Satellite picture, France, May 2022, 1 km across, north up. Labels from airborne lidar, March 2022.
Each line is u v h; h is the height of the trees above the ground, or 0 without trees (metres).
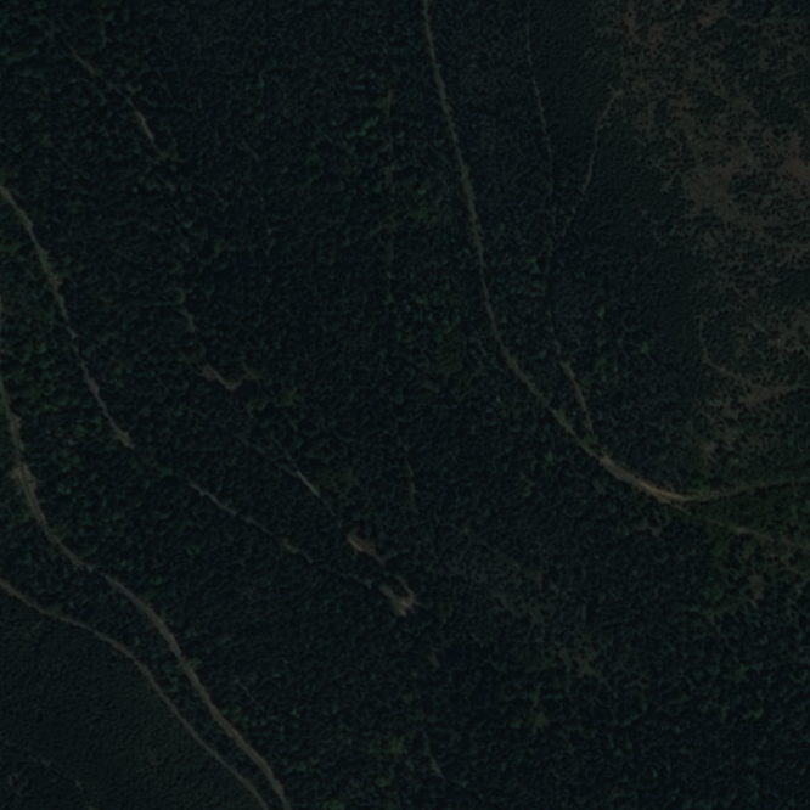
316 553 32
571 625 7
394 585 21
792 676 8
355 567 32
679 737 33
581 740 29
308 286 25
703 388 8
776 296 5
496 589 11
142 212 14
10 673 11
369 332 24
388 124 15
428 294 11
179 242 23
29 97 36
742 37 7
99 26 28
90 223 34
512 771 31
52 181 35
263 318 24
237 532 31
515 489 28
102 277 36
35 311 10
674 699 22
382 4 25
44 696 9
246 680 29
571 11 8
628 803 22
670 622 21
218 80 29
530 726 26
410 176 16
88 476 21
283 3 27
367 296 29
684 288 8
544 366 27
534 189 30
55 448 23
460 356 8
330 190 30
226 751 25
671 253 8
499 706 38
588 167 10
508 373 33
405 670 29
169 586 26
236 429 36
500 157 27
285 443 41
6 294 11
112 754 11
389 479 24
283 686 30
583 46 6
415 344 16
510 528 29
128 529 29
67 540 24
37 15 33
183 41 32
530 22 7
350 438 31
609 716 32
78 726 11
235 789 11
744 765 18
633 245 8
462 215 32
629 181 7
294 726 27
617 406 19
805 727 31
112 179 36
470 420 25
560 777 25
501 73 30
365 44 23
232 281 34
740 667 17
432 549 9
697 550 23
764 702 9
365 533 18
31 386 28
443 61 11
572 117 8
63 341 24
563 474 16
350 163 36
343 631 32
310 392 40
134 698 6
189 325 7
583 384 6
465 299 6
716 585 20
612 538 18
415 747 12
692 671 23
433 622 37
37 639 7
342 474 20
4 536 13
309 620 33
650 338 25
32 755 11
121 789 11
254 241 34
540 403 7
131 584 24
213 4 25
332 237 25
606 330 23
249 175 19
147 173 40
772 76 6
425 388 29
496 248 11
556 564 19
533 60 7
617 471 0
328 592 31
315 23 36
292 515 32
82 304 26
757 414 13
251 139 34
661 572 19
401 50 14
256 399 29
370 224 21
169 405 33
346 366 32
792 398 9
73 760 13
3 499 16
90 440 26
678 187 6
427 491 27
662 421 24
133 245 32
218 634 32
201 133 33
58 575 35
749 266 6
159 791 6
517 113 27
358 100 31
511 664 31
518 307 29
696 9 6
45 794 11
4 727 7
